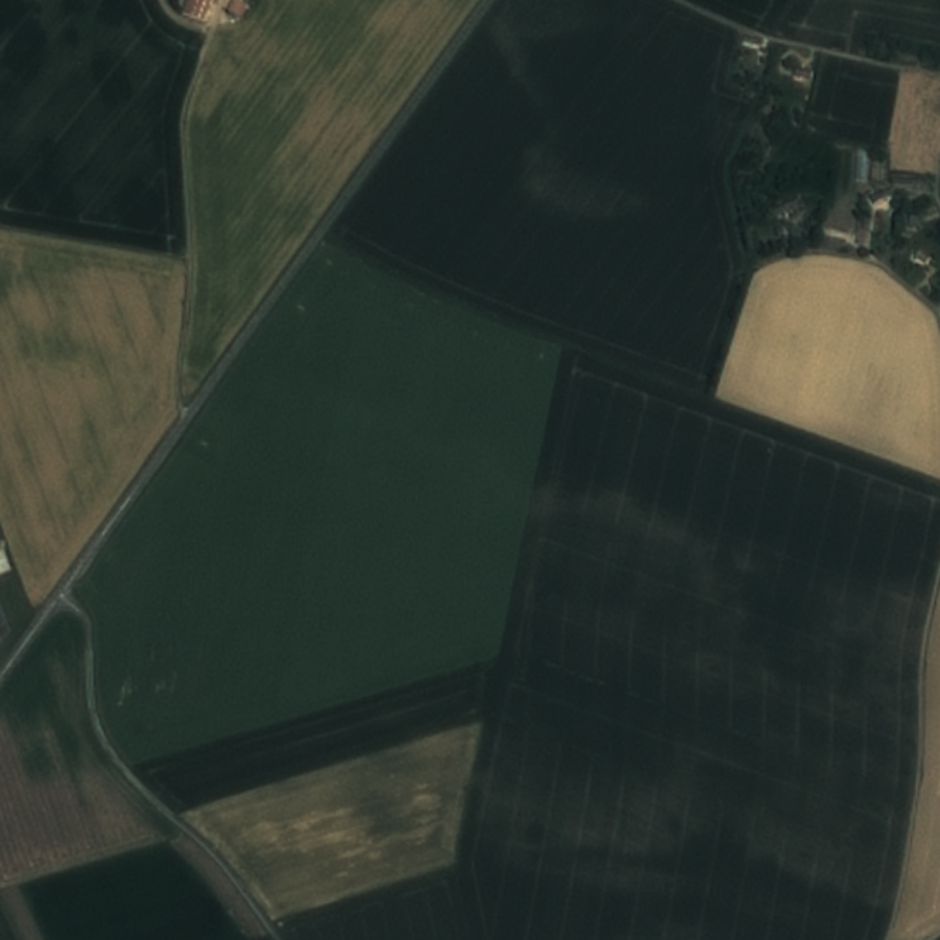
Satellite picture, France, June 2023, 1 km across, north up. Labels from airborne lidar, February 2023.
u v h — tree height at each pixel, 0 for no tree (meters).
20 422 0
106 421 0
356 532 0
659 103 0
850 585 0
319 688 0
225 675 0
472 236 0
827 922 0
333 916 0
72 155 0
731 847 0
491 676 0
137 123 0
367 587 0
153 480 0
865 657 0
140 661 0
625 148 0
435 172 0
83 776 0
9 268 0
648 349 0
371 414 0
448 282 0
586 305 0
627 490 0
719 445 0
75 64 0
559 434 0
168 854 0
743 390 0
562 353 0
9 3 0
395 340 0
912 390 0
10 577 0
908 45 6
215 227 0
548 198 0
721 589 0
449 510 0
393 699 0
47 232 0
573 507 0
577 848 0
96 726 0
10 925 0
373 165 0
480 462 0
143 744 0
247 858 0
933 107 0
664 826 0
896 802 0
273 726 0
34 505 0
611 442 0
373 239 0
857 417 0
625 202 0
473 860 0
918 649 0
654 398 0
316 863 0
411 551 0
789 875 0
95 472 0
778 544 0
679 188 0
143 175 0
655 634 0
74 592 0
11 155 0
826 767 0
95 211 0
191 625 0
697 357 0
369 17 0
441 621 0
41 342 0
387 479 0
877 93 0
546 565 0
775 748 0
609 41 0
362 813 0
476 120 0
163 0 0
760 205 10
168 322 0
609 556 0
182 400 0
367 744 0
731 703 0
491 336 0
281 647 0
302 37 0
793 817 0
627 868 0
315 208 0
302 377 0
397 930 0
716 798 0
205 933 0
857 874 0
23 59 0
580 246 0
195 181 0
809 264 0
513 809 0
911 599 0
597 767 0
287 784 0
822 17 0
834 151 0
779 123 13
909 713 0
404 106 0
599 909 0
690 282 0
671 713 0
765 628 0
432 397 0
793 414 0
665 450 0
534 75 0
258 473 0
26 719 0
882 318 0
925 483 0
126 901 0
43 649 0
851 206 0
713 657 0
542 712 0
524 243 0
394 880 0
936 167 0
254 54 0
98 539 0
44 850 0
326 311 0
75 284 0
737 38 0
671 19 0
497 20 0
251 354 0
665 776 0
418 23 0
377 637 0
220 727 0
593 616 0
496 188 0
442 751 0
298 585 0
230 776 0
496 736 0
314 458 0
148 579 0
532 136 0
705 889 0
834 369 0
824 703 0
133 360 0
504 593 0
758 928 0
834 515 0
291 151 0
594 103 0
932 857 0
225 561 0
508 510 0
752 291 0
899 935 0
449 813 0
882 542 0
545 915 0
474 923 0
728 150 0
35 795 0
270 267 0
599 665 0
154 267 0
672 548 0
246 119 0
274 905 0
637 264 0
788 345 0
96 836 0
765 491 0
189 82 0
